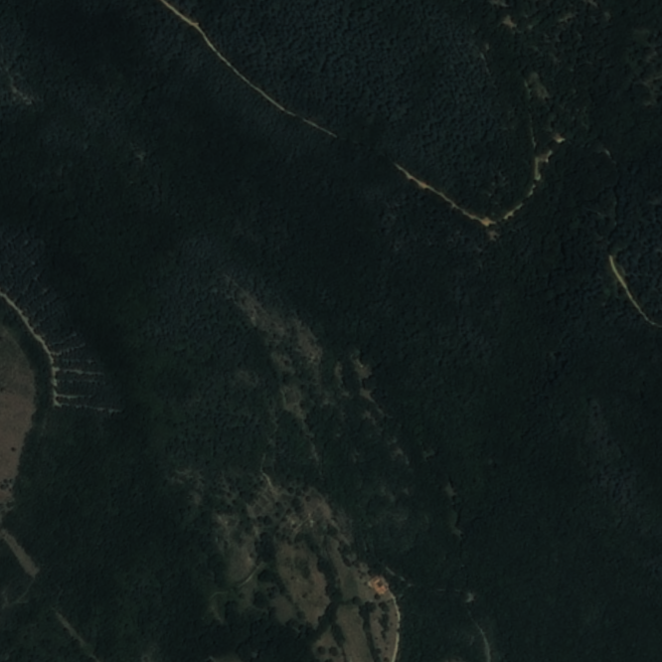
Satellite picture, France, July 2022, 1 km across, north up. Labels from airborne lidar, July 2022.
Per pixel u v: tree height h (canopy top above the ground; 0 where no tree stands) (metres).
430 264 15
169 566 11
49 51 21
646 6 21
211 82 15
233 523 0
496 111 16
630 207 24
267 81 18
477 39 16
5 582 7
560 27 24
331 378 10
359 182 20
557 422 19
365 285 19
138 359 9
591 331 21
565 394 19
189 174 23
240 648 15
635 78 9
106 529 19
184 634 13
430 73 15
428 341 17
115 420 13
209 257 12
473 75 19
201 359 7
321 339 12
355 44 21
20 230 19
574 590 12
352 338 15
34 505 8
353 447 7
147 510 21
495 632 7
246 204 19
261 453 6
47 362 12
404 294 15
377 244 18
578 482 14
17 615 16
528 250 24
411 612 8
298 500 9
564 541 12
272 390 13
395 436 12
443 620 10
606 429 7
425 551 12
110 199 22
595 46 20
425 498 12
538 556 14
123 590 6
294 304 13
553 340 28
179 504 11
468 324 17
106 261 27
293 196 20
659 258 16
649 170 17
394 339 22
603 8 17
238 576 0
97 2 20
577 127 16
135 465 13
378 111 11
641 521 7
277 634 21
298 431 7
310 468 7
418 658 11
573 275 25
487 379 15
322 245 20
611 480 12
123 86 15
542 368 26
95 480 15
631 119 16
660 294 13
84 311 20
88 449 9
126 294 18
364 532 9
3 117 22
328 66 22
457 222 16
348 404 10
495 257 15
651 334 18
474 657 8
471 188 18
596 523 11
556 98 20
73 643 10
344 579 0
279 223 13
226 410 14
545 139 18
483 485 10
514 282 19
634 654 12
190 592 18
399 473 9
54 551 10
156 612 12
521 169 17
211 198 18
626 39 21
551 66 11
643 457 28
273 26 20
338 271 22
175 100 19
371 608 8
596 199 16
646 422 31
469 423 15
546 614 9
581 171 25
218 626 10
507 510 15
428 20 19
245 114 15
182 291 14
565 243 22
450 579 8
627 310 23
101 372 16
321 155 13
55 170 20
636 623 12
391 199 16
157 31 16
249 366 14
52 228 24
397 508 8
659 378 24
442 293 16
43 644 10
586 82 16
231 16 22
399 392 19
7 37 20
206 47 13
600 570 13
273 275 18
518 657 11
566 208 27
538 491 17
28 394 0
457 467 14
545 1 13
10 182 24
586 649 12
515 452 27
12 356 0
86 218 21
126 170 21
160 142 23
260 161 22
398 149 13
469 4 17
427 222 18
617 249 14
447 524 14
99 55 27
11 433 0
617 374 24
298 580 0
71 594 9
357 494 8
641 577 18
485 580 14
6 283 17
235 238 7
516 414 23
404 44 16
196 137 23
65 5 24
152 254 23
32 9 16
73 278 17
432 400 11
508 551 11
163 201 10
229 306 15
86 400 15
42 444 9
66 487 8
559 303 21
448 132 18
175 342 15
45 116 19
